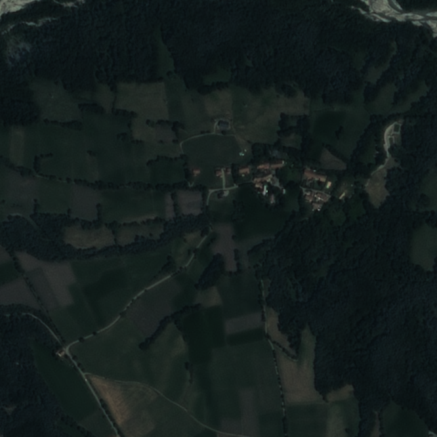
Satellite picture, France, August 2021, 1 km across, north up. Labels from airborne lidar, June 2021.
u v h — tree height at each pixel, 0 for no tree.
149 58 19
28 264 0
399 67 23
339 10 11
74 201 0
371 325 15
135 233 0
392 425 0
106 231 0
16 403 23
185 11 24
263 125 0
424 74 25
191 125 0
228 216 0
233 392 0
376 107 0
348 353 25
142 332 0
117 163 0
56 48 19
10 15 10
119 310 0
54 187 0
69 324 0
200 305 9
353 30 17
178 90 0
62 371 0
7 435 23
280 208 14
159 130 0
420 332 27
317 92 24
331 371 25
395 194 24
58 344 12
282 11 10
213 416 0
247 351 0
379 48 19
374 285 24
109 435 0
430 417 22
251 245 0
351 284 24
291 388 0
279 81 24
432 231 0
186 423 0
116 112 6
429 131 20
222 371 0
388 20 0
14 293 0
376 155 0
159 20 23
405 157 27
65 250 15
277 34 24
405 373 17
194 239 0
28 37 6
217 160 0
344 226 10
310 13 12
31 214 0
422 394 20
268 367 0
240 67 22
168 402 0
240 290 0
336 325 26
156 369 0
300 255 16
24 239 19
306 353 0
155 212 0
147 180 0
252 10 21
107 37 6
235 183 9
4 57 8
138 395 0
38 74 23
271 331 0
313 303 29
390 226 31
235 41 26
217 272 20
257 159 12
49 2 8
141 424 0
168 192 12
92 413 0
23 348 20
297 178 0
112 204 0
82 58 19
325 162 0
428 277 18
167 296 0
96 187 13
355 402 0
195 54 23
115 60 18
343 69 24
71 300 0
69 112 0
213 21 25
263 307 10
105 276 0
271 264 11
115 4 27
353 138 0
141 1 15
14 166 12
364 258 21
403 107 0
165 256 0
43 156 12
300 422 0
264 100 0
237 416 0
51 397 17
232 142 0
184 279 0
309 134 22
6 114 13
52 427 16
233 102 0
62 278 0
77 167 0
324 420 0
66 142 0
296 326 19
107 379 0
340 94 13
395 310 25
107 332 0
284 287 25
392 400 8
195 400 0
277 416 0
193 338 0
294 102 0
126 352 0
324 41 22
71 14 11
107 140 0
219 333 0
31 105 17
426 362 15
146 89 0
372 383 31
